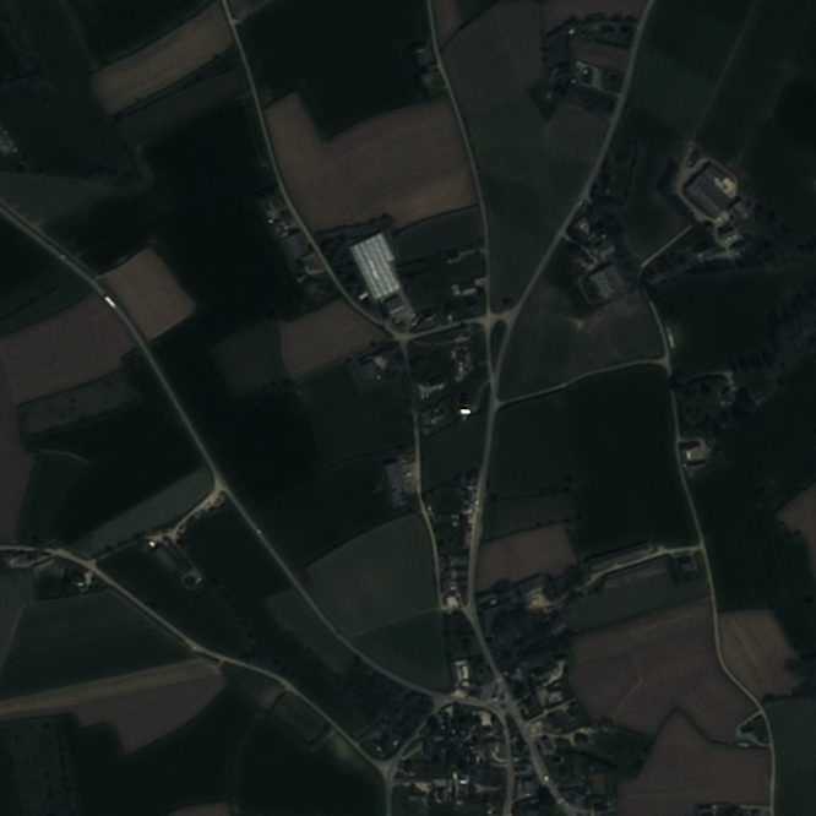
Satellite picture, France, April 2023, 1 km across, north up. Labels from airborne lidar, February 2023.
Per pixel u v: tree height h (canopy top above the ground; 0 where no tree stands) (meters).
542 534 0
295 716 0
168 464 0
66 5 0
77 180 0
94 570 0
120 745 0
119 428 0
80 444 0
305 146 0
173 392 0
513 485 0
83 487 0
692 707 0
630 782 0
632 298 0
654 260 0
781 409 0
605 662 0
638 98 0
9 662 0
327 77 0
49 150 0
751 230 0
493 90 0
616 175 0
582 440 0
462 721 11
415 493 0
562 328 0
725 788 0
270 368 0
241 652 0
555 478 0
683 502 0
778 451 0
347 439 0
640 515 0
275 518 0
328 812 0
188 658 0
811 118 0
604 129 0
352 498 0
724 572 0
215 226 0
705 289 0
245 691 0
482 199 0
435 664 0
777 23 0
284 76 0
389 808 0
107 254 0
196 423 0
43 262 0
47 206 0
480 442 0
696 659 0
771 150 0
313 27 0
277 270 0
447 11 0
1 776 0
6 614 0
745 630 0
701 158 0
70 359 0
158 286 0
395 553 0
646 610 0
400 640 0
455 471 0
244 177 0
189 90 0
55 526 0
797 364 15
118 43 0
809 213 0
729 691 0
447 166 0
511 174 0
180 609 0
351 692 8
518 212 0
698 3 0
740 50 0
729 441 0
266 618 0
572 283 0
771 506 0
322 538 0
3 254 0
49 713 0
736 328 0
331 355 0
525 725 0
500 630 14
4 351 0
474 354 0
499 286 0
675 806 0
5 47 0
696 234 0
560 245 0
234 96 0
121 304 0
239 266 0
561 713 0
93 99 0
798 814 0
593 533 0
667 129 0
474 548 0
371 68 0
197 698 0
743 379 0
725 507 0
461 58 0
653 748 6
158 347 0
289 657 0
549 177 0
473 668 7
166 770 0
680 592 0
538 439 0
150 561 0
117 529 0
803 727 0
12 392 0
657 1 0
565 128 0
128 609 0
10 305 0
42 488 0
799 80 0
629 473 0
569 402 0
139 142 0
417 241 0
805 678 12
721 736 0
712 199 0
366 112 0
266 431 0
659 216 0
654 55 0
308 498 0
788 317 27
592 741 0
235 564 0
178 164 0
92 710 0
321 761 0
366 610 0
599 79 0
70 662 0
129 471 0
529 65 0
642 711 0
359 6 0
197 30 0
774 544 0
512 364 0
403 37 0
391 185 0
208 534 0
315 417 0
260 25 0
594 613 0
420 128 0
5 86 10
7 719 0
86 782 0
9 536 0
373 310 16
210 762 0
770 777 0
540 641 6
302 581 0
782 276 0
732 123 0
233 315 0
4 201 0
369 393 0
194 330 0
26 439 0
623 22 9
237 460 0
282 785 0
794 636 0
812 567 0
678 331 0
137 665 0
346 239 8
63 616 0
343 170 0
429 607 0
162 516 0
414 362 7
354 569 0
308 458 0
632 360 0
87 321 0
